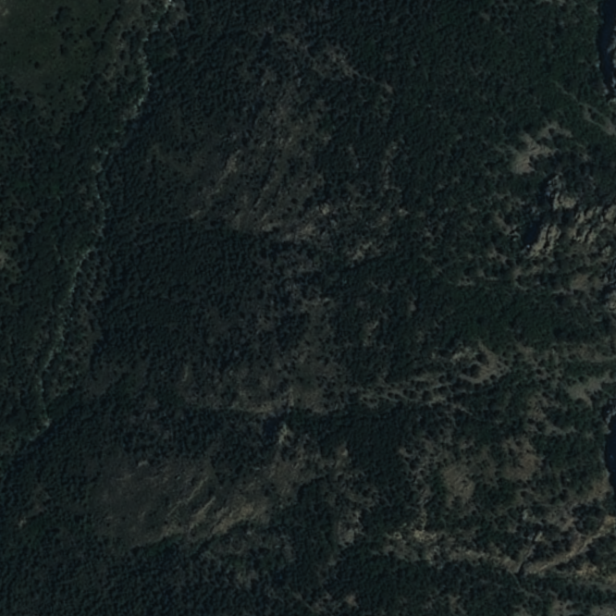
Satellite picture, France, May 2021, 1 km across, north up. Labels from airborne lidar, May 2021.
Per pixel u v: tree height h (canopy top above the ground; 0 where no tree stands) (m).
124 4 12
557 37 13
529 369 7
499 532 6
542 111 9
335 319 8
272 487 7
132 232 25
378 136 15
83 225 26
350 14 14
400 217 11
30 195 26
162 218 13
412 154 15
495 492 11
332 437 16
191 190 9
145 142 17
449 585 14
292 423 22
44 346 7
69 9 13
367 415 10
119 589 11
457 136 8
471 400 16
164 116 15
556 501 13
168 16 13
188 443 17
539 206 9
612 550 12
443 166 12
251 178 7
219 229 8
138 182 15
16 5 0
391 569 13
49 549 13
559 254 20
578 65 11
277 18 14
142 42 22
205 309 10
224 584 17
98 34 21
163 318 16
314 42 14
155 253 24
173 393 16
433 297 14
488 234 13
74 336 13
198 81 23
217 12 9
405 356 16
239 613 14
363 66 14
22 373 12
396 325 14
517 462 9
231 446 9
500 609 13
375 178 15
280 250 16
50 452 19
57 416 18
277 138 7
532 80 10
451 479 0
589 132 9
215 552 10
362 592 16
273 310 7
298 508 18
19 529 12
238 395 10
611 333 17
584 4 9
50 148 20
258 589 16
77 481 18
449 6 12
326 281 24
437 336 12
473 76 10
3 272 9
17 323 22
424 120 15
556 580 8
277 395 11
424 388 13
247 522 10
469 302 12
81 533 16
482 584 12
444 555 8
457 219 13
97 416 22
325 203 7
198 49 23
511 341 12
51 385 17
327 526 19
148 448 11
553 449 9
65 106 10
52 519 16
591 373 8
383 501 14
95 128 19
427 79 9
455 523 12
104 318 23
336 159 14
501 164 14
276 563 8
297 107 7
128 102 7
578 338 12
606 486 0
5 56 0
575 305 10
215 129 6
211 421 13
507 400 13
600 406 10
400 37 14
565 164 18
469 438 7
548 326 10
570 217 17
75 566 7
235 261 11
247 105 7
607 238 12
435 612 10
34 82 0
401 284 9
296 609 12
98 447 17
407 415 17
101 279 17
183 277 14
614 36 0
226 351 6
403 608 13
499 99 11
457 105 12
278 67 13
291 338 14
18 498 17
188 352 8
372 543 13
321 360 9
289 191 10
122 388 18
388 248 9
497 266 12
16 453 8
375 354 10
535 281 8
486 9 14
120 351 23
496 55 12
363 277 15
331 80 14
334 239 10
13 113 25
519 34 12
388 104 10
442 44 17
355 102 16
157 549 9
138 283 24
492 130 10
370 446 17
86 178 21
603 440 11
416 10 17
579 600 8
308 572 18
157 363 9
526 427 7
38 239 30
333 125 10
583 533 19
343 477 13
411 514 8
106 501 0
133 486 0
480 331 13
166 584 9
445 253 17
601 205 10
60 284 18
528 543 16
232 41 19
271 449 11
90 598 17
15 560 14
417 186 13
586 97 9
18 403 23
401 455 11
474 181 6
